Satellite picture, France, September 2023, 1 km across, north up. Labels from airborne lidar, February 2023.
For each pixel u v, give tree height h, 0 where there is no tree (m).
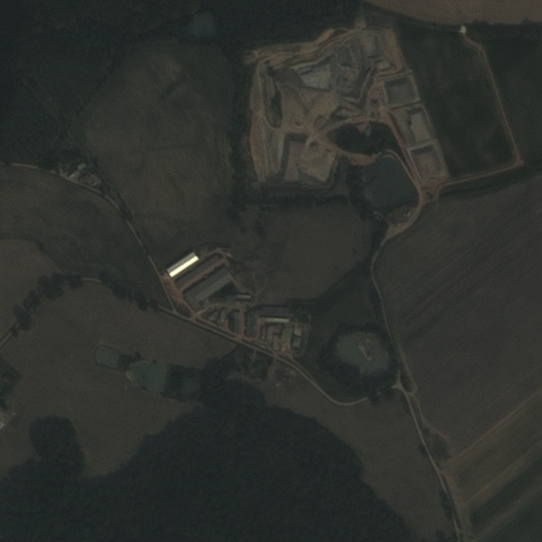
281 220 0
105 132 0
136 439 0
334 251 0
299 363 0
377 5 0
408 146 0
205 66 0
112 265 0
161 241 0
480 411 0
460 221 0
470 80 0
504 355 0
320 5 15
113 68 9
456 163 0
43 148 16
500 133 0
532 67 0
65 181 0
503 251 0
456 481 0
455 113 0
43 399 0
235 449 23
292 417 15
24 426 0
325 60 0
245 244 0
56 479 15
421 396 0
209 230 0
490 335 0
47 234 0
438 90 0
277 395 0
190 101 0
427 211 0
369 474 0
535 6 0
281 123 0
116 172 0
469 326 0
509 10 0
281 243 0
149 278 0
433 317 0
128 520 18
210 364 11
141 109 0
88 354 0
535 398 0
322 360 16
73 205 0
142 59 0
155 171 0
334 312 0
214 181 0
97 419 0
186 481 24
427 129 0
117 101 0
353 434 0
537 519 0
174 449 18
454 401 0
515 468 0
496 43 0
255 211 0
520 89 0
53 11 25
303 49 0
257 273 0
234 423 24
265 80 0
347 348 0
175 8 24
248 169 0
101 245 0
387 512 16
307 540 26
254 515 23
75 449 19
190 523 26
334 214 0
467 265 0
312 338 0
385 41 0
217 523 23
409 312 0
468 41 0
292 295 0
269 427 26
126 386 0
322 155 0
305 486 23
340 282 0
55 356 0
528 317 0
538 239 0
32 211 0
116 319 0
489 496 0
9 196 0
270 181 0
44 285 20
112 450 0
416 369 0
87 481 0
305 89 0
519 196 0
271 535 26
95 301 0
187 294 0
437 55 0
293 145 0
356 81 0
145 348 0
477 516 0
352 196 6
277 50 0
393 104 0
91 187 0
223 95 0
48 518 26
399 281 0
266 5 22
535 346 0
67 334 0
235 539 25
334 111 0
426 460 0
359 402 0
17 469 0
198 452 17
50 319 0
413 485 0
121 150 0
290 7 17
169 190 0
